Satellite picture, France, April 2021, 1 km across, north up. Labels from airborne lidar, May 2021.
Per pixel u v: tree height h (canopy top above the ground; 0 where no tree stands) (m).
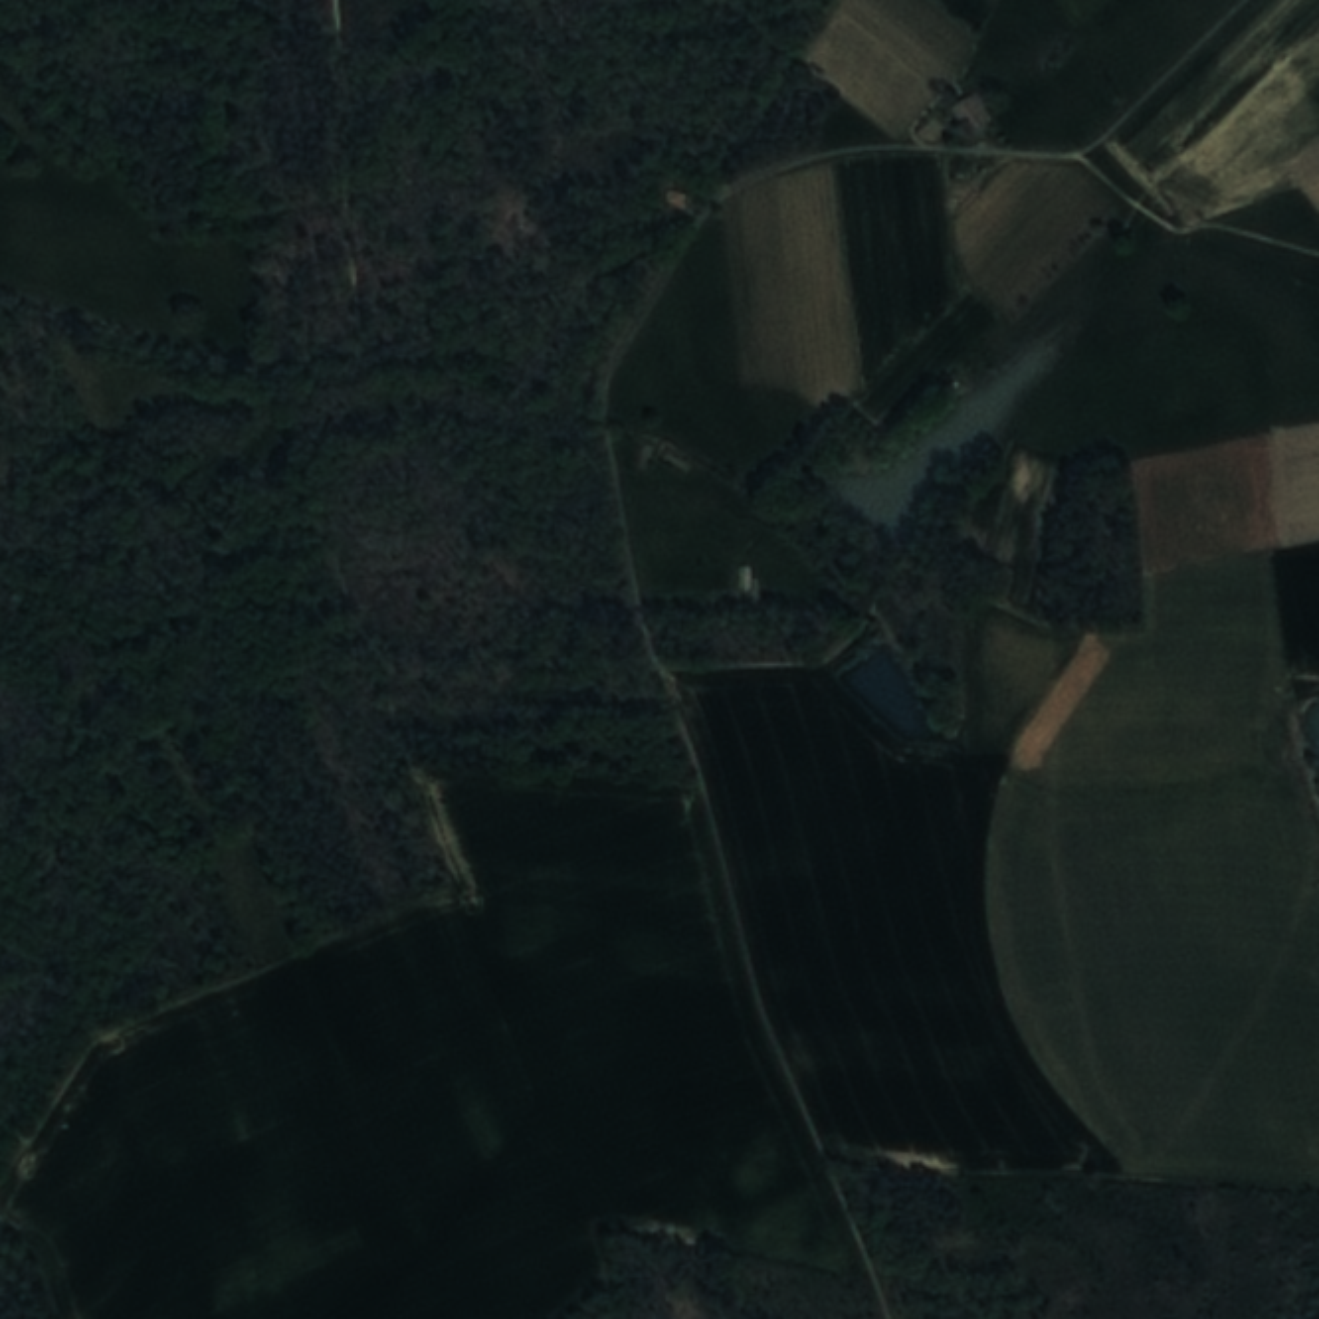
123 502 27
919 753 0
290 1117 0
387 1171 0
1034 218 0
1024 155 0
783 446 0
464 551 13
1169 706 0
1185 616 0
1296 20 0
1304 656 0
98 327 8
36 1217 0
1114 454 16
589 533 21
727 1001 0
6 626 12
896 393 0
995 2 0
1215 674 0
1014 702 0
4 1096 16
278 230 17
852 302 0
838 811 0
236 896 0
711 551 0
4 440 17
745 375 0
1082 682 0
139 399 0
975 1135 0
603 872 0
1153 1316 7
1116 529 14
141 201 17
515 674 15
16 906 18
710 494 0
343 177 16
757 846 0
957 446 0
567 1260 0
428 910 0
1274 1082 0
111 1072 0
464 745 13
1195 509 0
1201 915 0
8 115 0
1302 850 0
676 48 14
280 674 24
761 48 21
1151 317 0
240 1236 0
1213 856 0
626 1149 0
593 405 19
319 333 11
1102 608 23
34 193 0
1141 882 0
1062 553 20
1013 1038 0
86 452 22
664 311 0
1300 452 0
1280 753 0
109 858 12
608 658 20
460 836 0
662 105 18
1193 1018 0
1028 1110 0
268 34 11
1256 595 0
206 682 20
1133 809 0
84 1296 0
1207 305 0
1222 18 0
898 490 0
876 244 0
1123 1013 0
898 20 0
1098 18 0
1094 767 0
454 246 23
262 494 22
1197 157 0
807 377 0
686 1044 0
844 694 0
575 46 17
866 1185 14
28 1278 17
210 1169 0
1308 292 0
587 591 9
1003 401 0
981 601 16
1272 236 0
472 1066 0
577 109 12
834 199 0
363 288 7
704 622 17
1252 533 0
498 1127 0
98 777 22
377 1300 0
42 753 23
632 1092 0
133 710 26
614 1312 14
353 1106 0
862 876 0
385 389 23
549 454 14
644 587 0
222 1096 0
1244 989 0
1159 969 0
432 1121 0
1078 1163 0
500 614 9
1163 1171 0
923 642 18
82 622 15
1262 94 0
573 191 16
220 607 16
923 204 0
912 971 0
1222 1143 0
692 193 10
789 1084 0
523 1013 0
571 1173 0
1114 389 0
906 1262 20
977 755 0
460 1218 0
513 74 15
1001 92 17
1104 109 0
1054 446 0
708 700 0
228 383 20
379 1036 0
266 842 12
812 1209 0
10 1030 12
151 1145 0
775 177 0
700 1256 11
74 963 14
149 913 14
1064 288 0
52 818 17
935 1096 0
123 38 12
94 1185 0
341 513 13
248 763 16
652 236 26
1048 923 0
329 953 0
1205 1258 0
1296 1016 0
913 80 0
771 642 13
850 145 0
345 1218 0
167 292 0
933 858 0
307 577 19
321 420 15
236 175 22
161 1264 0
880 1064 0
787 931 0
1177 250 0
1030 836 0
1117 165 0
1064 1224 11
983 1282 15
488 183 12
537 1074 0
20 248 0
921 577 14
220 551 7
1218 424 0
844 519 22
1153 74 0
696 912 0
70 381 11
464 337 25
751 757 0
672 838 0
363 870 25
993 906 0
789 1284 11
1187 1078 0
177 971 8
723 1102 0
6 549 12
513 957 0
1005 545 0
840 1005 0
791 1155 0
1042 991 0
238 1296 0
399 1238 0
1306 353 0
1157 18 0
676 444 0
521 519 20
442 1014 0
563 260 16
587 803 0
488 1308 0
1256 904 0
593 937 0
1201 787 0
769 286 0
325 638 24
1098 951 0
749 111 10
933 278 0
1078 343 0
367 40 8
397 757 11
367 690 15
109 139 24
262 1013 0
